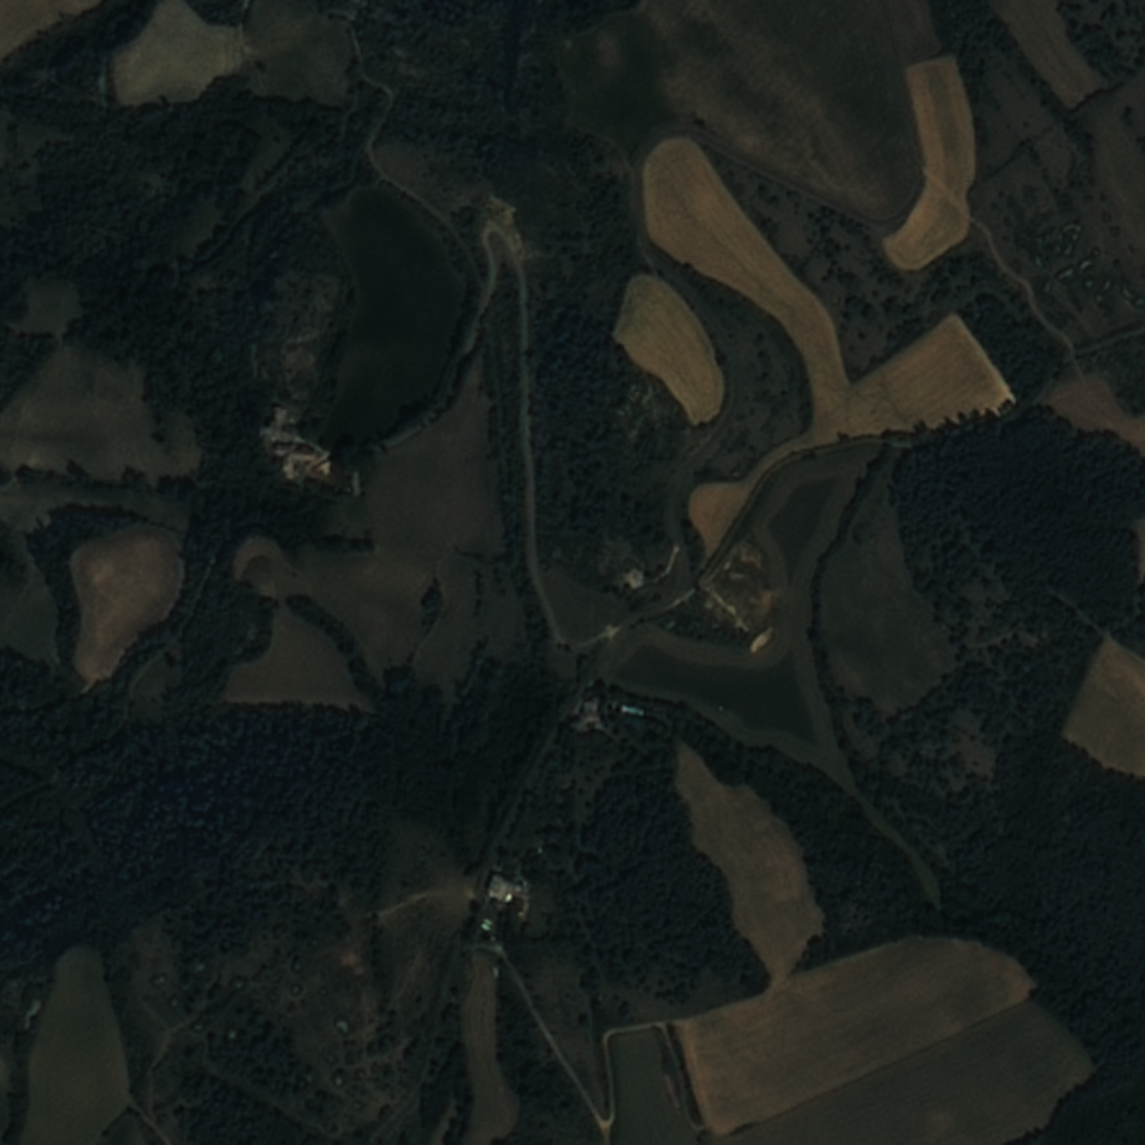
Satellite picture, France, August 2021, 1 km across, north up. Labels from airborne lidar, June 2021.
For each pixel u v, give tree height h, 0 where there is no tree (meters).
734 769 16
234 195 7
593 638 0
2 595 0
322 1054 0
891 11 0
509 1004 7
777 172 0
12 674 11
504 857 12
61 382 0
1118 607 15
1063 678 15
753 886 0
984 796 14
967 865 14
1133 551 16
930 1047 0
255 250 8
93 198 9
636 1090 0
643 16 0
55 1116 0
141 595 0
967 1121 0
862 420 0
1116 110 0
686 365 0
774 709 0
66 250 7
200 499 26
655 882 15
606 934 14
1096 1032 16
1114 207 0
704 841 0
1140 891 15
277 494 11
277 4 0
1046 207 0
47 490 0
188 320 8
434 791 16
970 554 11
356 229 0
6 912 6
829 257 8
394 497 0
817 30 0
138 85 0
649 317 0
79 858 14
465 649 0
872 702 8
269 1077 10
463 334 11
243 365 6
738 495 0
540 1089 12
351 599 0
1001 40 10
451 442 0
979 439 15
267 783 14
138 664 12
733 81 0
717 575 0
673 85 0
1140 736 0
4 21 0
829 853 17
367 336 0
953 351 0
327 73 0
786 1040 0
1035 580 15
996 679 12
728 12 0
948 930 13
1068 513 17
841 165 0
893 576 0
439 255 0
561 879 7
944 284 15
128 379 0
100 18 10
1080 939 23
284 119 11
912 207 0
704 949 11
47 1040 0
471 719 11
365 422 0
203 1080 12
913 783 9
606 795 10
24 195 7
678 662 0
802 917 0
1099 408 0
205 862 10
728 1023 0
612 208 8
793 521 0
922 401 0
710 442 0
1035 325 10
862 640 0
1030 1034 0
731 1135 0
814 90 0
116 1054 0
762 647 0
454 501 0
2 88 9
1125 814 11
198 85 0
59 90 9
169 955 0
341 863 6
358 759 12
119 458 0
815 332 0
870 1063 0
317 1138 8
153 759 15
